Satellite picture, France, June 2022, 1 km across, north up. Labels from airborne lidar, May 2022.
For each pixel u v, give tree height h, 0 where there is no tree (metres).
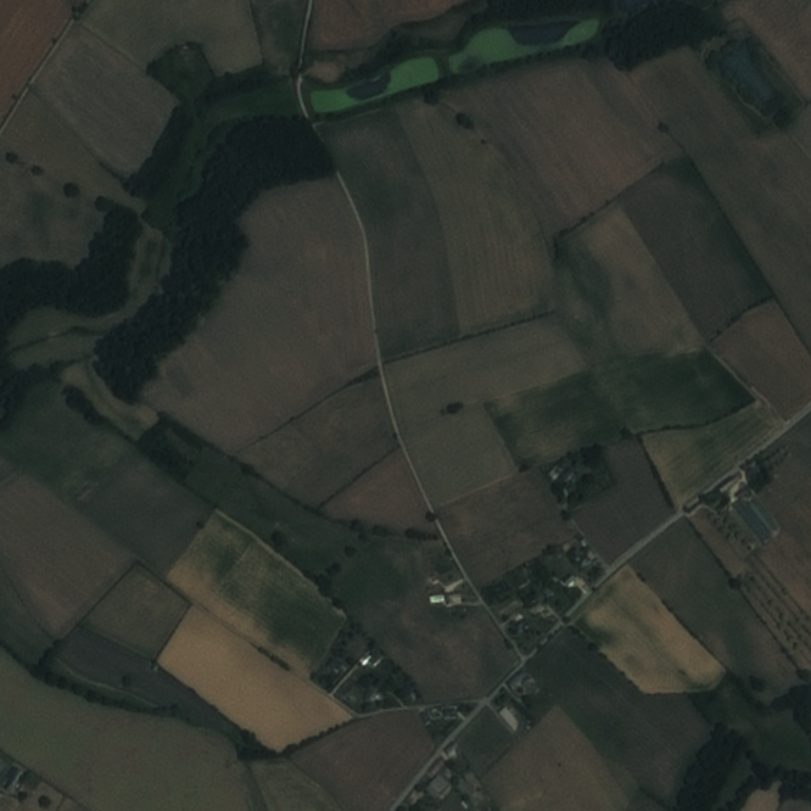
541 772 0
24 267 19
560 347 0
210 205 22
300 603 0
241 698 0
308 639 0
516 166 0
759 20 0
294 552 0
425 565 0
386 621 0
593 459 19
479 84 0
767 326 0
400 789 0
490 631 0
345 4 0
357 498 0
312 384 0
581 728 0
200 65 0
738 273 0
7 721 0
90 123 0
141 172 9
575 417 0
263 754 8
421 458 0
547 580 11
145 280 0
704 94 0
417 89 12
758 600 0
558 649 0
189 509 0
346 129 0
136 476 0
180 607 0
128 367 18
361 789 0
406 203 0
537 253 0
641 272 0
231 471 0
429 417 0
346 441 0
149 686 0
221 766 0
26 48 0
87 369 0
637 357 0
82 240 0
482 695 0
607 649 0
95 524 0
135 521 0
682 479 0
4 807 0
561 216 0
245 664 0
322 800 0
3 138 0
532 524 0
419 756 0
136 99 0
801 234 0
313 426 0
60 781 0
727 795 0
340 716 0
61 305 19
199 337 0
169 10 0
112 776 0
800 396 0
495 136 0
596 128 0
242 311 0
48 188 0
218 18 0
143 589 0
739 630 0
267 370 0
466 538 0
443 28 0
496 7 18
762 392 0
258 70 6
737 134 0
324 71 0
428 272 0
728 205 0
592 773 0
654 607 0
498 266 0
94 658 0
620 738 0
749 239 0
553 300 0
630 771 0
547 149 0
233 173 22
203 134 0
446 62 0
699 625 0
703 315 0
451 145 0
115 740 0
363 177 0
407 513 0
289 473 0
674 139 0
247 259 0
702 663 0
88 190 0
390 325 0
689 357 0
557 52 8
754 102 8
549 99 0
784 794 16
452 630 0
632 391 0
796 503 0
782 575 0
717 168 0
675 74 0
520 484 0
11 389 16
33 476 0
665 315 0
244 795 0
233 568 0
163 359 13
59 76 0
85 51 0
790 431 0
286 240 0
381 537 14
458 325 0
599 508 0
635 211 0
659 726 0
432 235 0
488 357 0
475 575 0
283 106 0
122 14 0
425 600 0
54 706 0
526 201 0
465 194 0
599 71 0
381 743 0
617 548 0
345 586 0
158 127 0
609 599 0
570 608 0
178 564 0
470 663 0
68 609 0
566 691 0
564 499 11
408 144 0
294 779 0
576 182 0
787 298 0
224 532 0
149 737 0
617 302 0
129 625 0
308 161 22
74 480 0
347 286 0
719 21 0
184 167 0
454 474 0
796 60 0
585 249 0
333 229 0
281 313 0
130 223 24
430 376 0
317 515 8
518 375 0
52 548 0
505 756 0
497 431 0
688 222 0
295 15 0
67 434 0
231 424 0
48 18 0
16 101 10
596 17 0
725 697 0
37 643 0
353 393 0
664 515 0
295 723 0
